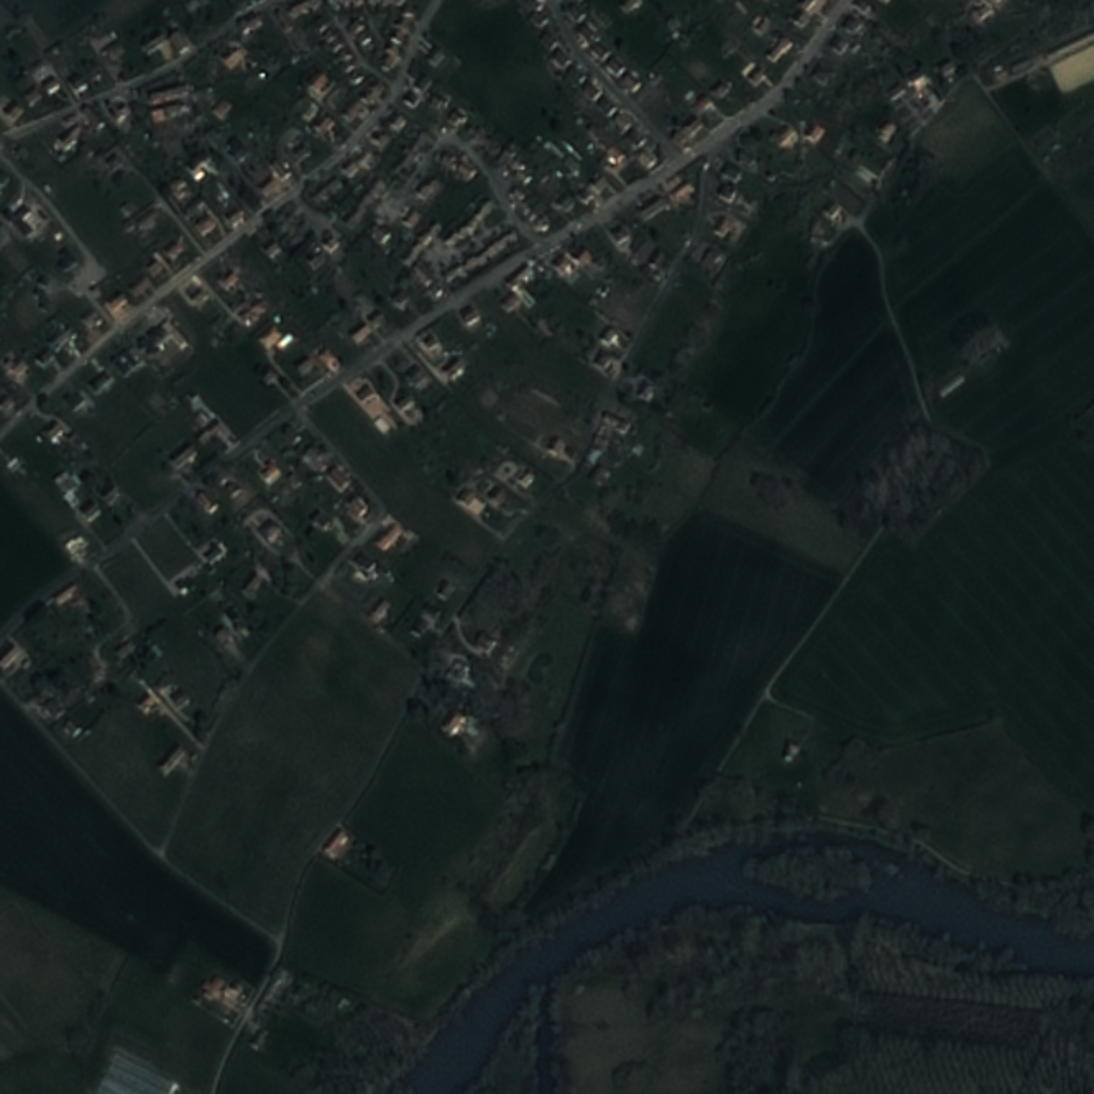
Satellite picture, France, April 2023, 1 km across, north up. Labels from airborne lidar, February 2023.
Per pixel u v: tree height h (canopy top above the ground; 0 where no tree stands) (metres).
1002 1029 10
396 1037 20
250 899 0
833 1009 0
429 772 0
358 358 0
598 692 0
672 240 0
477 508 0
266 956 0
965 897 0
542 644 0
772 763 0
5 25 0
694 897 0
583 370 0
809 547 0
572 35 0
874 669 0
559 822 0
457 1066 0
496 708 23
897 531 13
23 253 0
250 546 8
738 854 0
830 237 0
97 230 0
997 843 0
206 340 0
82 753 0
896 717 0
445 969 0
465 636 0
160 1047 0
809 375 0
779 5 0
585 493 0
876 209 0
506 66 0
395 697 0
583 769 0
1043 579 0
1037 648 0
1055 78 0
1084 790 0
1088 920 20
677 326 0
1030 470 0
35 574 0
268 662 0
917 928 10
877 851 0
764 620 0
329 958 0
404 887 0
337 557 0
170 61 0
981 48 16
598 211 0
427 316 0
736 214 0
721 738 0
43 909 0
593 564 0
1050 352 0
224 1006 0
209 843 0
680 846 16
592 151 0
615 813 0
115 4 0
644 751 0
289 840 0
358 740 0
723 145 0
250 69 8
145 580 0
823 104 6
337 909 0
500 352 0
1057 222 0
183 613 0
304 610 0
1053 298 0
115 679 10
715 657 0
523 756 14
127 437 0
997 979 10
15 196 0
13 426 0
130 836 0
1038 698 0
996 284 0
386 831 0
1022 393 0
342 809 0
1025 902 20
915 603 0
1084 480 0
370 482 0
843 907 0
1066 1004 8
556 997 14
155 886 0
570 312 0
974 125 0
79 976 0
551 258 0
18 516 0
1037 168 0
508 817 0
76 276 0
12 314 0
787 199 11
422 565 0
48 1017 0
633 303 0
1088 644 0
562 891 0
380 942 0
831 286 0
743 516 0
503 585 8
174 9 0
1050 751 0
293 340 0
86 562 0
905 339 0
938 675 0
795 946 27
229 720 0
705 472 0
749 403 0
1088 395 0
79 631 12
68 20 0
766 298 0
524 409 0
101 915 0
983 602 0
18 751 0
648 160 0
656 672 0
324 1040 0
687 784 0
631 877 10
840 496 0
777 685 0
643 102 0
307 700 0
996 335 26
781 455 0
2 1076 0
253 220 0
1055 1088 31
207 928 0
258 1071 0
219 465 0
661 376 9
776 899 0
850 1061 18
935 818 0
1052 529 0
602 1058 0
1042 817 0
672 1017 13
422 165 0
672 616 0
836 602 0
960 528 0
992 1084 27
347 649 0
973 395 0
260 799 0
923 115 0
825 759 0
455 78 0
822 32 0
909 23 0
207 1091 0
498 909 0
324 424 0
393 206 0
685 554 0
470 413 0
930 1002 9
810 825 10
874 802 0
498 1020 0
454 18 0
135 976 0
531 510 0
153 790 0
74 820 0
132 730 0
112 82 0
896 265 0
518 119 0
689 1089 0
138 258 0
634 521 7
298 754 0
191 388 0
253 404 0
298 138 0
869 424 0
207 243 0
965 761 0
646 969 29
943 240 0
